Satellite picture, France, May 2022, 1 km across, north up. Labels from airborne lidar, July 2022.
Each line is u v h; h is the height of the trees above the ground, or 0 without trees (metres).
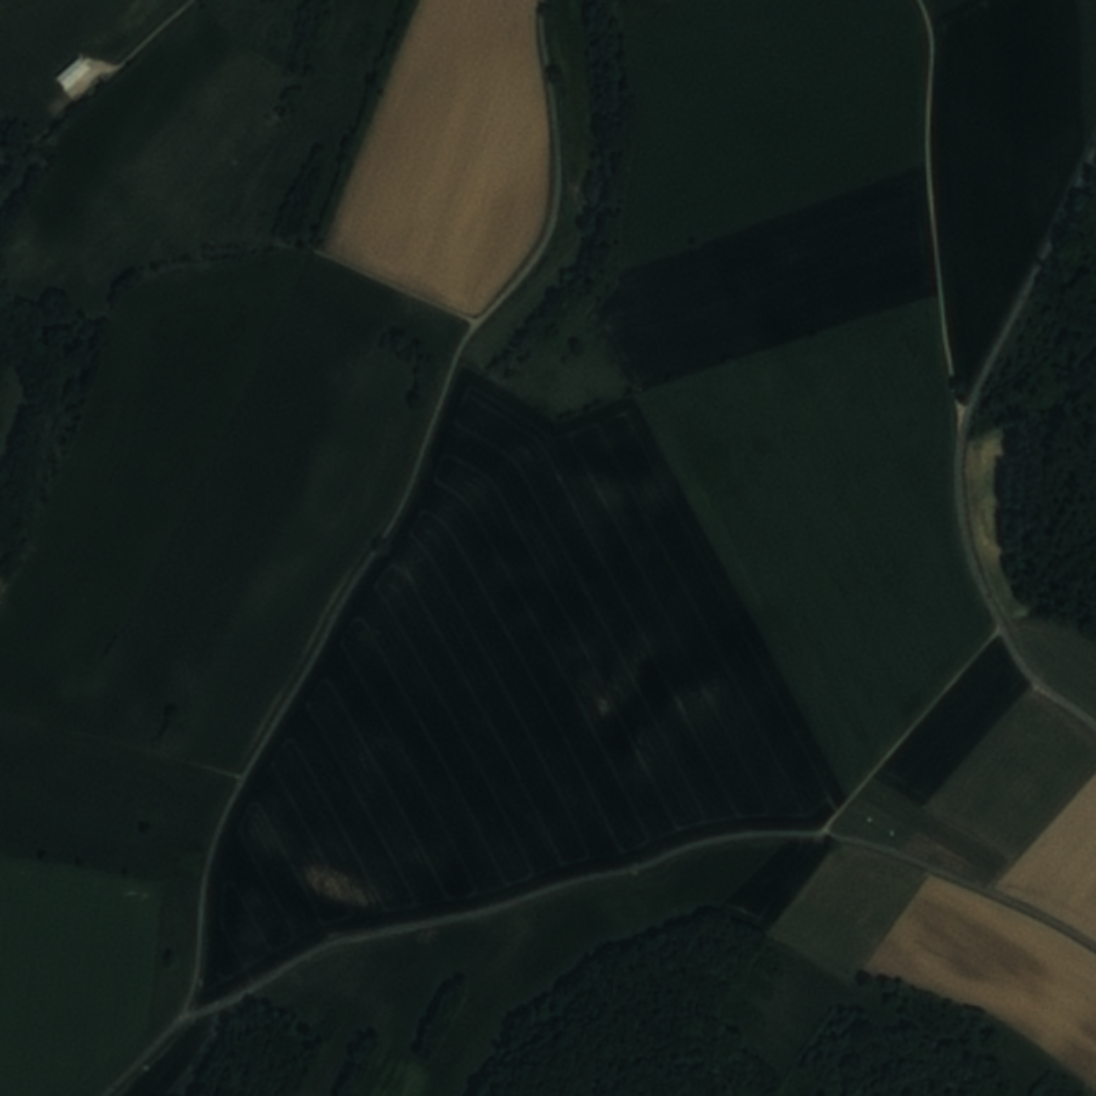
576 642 0
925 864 0
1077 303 11
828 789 0
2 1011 0
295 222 11
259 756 0
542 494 0
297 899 0
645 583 0
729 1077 19
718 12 0
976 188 0
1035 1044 0
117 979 0
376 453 0
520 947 0
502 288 0
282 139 0
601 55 7
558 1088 20
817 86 0
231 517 0
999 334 0
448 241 0
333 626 0
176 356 0
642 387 0
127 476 0
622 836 0
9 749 0
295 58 7
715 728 0
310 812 0
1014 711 0
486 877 0
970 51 0
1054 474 17
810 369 0
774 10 0
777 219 0
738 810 0
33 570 0
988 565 0
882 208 0
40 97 0
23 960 0
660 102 0
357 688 0
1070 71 0
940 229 0
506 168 0
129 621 0
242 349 0
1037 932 0
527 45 0
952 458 0
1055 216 0
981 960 0
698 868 0
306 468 0
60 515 0
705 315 0
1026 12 0
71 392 14
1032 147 0
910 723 0
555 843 0
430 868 0
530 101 0
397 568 0
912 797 0
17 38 0
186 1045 0
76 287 0
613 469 0
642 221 0
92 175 0
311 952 0
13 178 13
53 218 0
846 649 0
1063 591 21
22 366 19
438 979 0
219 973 0
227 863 0
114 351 0
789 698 0
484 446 0
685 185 0
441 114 0
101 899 0
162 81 0
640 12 0
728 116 0
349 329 0
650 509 0
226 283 0
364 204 0
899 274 0
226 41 0
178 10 0
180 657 0
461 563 0
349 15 0
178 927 0
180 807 0
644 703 0
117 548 0
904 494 0
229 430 0
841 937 0
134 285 13
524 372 0
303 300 0
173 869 0
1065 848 0
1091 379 28
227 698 0
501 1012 0
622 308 0
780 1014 0
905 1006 9
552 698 0
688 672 0
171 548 0
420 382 7
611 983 18
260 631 0
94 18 0
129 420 0
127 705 0
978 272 0
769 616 0
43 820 0
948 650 0
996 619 0
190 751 0
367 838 0
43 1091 0
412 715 0
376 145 0
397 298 0
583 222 14
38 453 20
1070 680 0
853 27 0
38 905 0
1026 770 0
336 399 0
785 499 0
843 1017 11
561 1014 13
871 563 0
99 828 0
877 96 0
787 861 0
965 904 0
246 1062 14
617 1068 23
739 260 0
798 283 0
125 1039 0
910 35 0
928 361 0
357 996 0
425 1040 14
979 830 0
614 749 0
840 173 0
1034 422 21
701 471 0
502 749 0
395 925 0
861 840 0
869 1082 12
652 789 0
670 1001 22
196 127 0
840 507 0
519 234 0
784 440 0
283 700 0
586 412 7
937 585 0
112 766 0
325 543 0
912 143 0
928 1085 13
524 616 0
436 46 0
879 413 0
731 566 0
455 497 0
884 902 0
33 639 0
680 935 17
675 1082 20
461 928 0
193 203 0
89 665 0
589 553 0
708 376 0
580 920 0
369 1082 0
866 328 0
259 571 0
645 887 0
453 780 0
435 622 0
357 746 0
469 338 0
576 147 0
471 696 0
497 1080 18
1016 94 0
